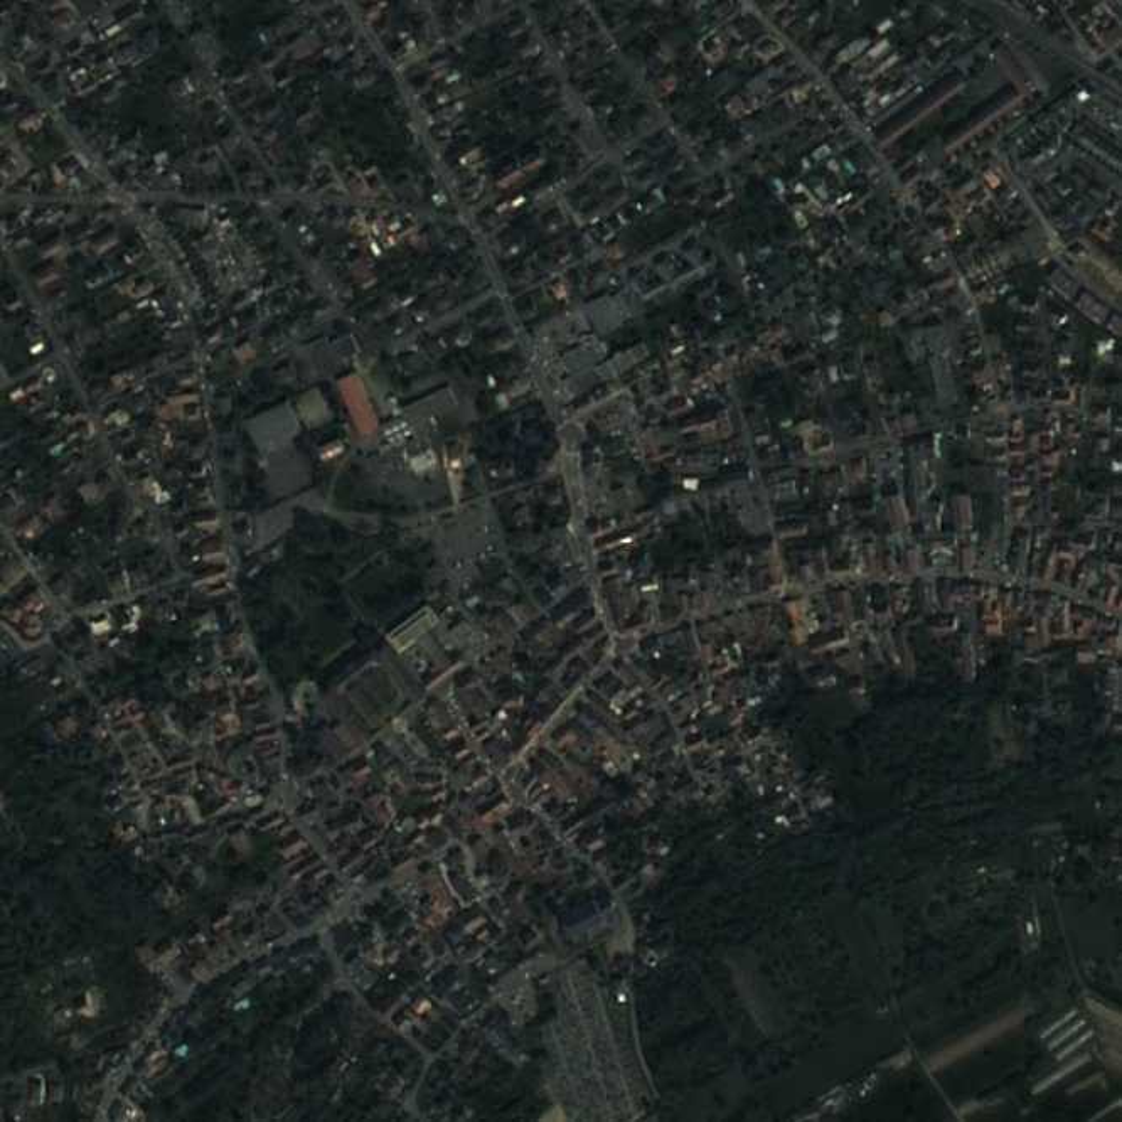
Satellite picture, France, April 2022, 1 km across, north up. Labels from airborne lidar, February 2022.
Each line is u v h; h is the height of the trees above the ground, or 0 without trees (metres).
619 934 0
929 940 9
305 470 0
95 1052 0
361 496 0
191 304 0
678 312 0
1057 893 6
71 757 12
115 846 10
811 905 7
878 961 0
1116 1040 0
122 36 0
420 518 0
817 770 6
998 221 0
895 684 10
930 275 0
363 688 27
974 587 0
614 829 20
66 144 0
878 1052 0
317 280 0
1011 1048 0
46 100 0
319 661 8
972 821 7
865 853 12
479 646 0
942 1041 0
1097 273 0
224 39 11
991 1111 0
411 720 0
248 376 0
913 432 0
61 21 0
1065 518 0
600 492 0
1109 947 0
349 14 0
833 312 0
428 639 0
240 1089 11
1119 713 0
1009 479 0
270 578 24
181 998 0
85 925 12
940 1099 0
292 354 0
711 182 7
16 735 0
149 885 10
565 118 0
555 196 0
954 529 0
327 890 7
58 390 0
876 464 0
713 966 10
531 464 8
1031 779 6
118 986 15
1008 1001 0
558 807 0
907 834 9
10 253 0
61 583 0
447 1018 0
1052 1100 0
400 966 0
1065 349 0
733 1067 10
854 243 0
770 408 10
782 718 9
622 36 0
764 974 7
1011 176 0
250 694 8
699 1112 0
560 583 0
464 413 0
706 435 0
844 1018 0
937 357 0
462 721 0
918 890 0
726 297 17
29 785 7
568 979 0
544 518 14
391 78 8
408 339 0
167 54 7
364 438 0
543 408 7
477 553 0
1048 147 0
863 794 0
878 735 6
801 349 7
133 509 0
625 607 0
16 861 15
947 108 11
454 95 0
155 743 0
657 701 0
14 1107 0
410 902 0
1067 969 7
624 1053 0
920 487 0
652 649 0
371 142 8
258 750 0
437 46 0
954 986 0
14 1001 10
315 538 19
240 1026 10
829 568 0
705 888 9
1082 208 0
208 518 0
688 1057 19
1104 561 0
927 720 19
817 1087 0
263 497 16
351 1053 0
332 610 14
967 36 0
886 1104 0
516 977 0
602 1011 0
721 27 0
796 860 12
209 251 0
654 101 0
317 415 0
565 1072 0
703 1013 16
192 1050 12
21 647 0
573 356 0
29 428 12
